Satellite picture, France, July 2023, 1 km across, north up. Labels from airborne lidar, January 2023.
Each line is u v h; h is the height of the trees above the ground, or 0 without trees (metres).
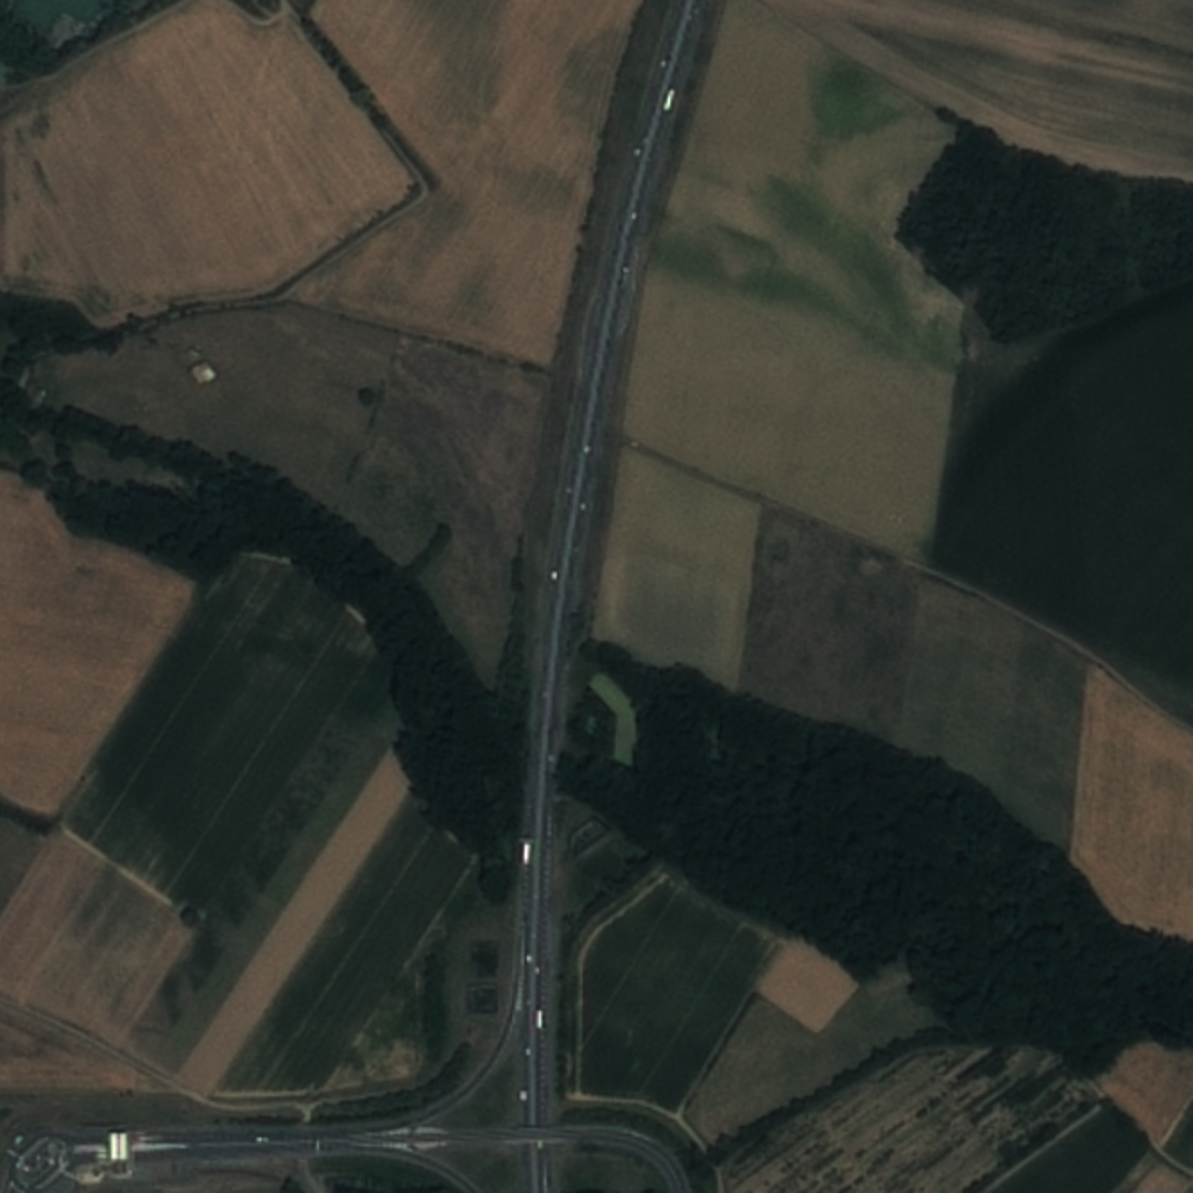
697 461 0
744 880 24
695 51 0
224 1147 0
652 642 0
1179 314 0
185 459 24
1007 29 0
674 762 21
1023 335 8
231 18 0
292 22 0
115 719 0
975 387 0
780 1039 0
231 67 0
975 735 0
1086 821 0
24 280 0
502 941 0
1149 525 0
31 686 0
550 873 0
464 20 0
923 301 0
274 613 0
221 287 0
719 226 0
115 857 0
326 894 0
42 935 0
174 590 0
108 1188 0
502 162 0
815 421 0
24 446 16
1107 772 0
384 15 0
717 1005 0
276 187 0
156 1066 0
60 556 0
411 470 0
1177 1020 30
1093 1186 0
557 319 0
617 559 0
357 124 0
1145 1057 0
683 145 0
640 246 0
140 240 0
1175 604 0
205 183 0
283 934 0
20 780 0
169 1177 0
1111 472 0
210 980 0
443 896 0
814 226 0
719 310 0
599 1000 0
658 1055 0
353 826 0
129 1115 0
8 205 0
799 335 0
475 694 21
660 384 0
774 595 0
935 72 0
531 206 0
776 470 0
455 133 0
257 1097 0
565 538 0
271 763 0
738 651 0
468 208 0
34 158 0
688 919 0
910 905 30
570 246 0
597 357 0
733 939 0
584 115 0
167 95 0
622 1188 0
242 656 0
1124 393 0
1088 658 0
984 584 0
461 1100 0
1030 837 12
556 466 0
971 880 31
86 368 0
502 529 0
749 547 0
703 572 0
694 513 0
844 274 0
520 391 0
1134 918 0
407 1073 0
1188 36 0
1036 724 0
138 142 0
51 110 0
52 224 0
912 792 26
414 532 0
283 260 0
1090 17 0
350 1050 0
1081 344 0
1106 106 0
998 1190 0
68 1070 0
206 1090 0
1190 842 0
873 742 8
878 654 0
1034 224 13
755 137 0
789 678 0
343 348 0
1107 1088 0
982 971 11
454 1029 0
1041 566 0
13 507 0
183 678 0
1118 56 0
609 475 0
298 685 0
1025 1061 0
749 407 0
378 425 0
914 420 0
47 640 0
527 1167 0
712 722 16
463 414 0
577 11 0
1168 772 0
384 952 0
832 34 0
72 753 0
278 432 0
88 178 0
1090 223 16
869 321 0
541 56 0
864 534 0
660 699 19
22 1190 0
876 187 0
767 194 0
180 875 0
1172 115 0
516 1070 0
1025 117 0
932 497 0
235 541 22
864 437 0
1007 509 0
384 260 0
